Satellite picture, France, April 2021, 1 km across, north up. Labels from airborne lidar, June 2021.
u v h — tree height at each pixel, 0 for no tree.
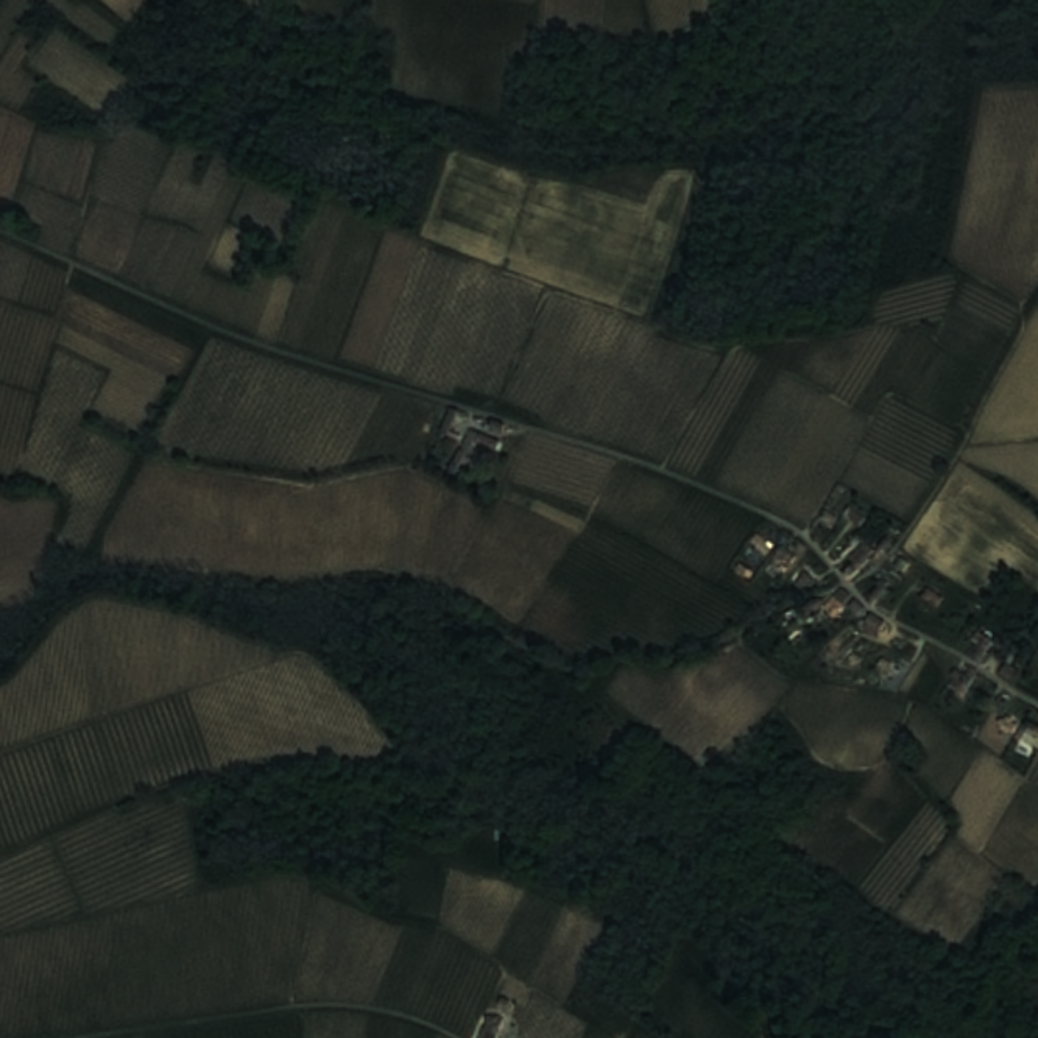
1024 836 0
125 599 9
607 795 24
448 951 0
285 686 0
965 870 0
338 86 19
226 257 0
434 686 22
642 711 0
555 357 0
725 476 0
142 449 14
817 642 14
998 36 12
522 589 0
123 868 0
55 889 0
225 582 6
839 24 21
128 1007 0
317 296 0
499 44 0
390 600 29
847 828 0
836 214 20
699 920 18
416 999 0
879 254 17
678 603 0
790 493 0
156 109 12
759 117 31
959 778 0
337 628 22
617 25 0
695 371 0
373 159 12
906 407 0
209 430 0
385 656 19
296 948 0
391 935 0
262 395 0
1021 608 0
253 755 0
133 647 0
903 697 0
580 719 8
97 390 0
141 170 0
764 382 0
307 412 0
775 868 21
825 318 16
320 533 0
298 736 0
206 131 18
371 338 0
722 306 19
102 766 0
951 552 0
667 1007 0
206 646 0
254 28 16
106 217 0
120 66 14
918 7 19
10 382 0
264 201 0
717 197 18
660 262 0
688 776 23
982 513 0
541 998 0
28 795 0
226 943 0
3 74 0
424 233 0
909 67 18
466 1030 0
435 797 24
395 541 0
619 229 0
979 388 0
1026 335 0
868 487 0
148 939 0
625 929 16
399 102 23
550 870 25
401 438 0
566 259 0
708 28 22
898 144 19
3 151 0
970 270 0
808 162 21
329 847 17
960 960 19
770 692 0
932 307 0
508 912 0
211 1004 0
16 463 0
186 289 0
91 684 0
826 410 0
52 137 0
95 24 0
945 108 20
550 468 0
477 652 19
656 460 0
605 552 0
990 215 0
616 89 22
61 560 19
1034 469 0
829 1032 18
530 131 22
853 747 0
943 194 7
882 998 21
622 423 0
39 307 0
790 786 20
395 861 24
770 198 19
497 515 0
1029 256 0
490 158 16
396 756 14
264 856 24
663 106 21
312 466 0
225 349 0
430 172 13
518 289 0
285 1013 0
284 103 15
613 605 0
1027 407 0
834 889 19
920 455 0
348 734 0
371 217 16
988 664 0
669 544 0
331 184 17
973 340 0
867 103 27
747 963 17
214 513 0
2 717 0
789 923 14
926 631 0
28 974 0
